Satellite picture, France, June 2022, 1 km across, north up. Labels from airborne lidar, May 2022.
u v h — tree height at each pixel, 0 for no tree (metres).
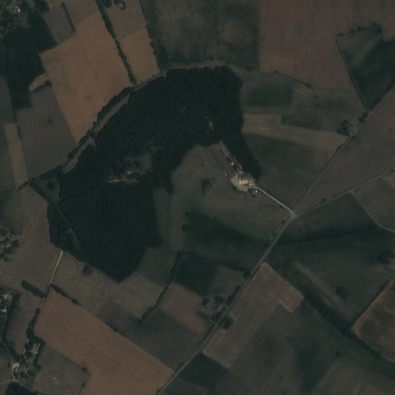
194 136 18
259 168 13
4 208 0
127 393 0
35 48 10
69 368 0
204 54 0
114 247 14
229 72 14
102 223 14
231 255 0
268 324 0
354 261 0
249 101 0
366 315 0
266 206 0
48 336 0
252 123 0
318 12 0
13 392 12
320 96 0
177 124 14
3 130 0
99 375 0
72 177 14
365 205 0
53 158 0
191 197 0
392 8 0
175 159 14
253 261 0
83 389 0
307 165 0
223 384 0
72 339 0
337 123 0
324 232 0
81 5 0
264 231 0
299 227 0
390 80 0
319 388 0
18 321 0
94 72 0
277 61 0
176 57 0
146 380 0
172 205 0
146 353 0
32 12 12
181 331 0
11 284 0
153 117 13
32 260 0
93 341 0
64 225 14
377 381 0
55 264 0
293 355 0
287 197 0
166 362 0
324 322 0
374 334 0
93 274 0
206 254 0
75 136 0
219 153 0
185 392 0
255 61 0
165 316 0
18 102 8
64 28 0
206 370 0
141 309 0
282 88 0
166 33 0
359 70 0
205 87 11
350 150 0
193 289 0
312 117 0
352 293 0
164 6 0
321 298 0
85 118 0
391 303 0
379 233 0
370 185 0
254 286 0
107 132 15
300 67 0
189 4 0
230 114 10
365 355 0
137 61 0
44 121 0
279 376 0
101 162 12
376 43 0
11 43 9
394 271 0
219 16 0
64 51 0
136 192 17
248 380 0
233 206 0
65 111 0
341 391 0
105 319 0
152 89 22
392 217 0
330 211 0
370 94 0
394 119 0
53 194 0
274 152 0
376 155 0
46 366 0
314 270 0
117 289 0
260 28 0
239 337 0
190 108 12
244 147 14
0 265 0
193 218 0
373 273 0
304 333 0
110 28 12
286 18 0
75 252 15
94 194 14
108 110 18
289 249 0
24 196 0
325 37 0
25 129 0
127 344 0
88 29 0
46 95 0
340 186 0
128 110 18
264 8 0
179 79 15
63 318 0
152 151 8
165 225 0
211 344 0
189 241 0
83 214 11
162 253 0
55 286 9
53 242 13
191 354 0
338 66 0
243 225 0
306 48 0
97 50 0
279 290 0
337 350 0
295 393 0
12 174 0
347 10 0
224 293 0
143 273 0
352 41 0
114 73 0
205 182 6
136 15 0
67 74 0
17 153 0
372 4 0
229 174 0
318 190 0
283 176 0
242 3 0
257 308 0
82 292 0
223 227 0
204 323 0
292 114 0
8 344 9
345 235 7
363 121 11
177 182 0
